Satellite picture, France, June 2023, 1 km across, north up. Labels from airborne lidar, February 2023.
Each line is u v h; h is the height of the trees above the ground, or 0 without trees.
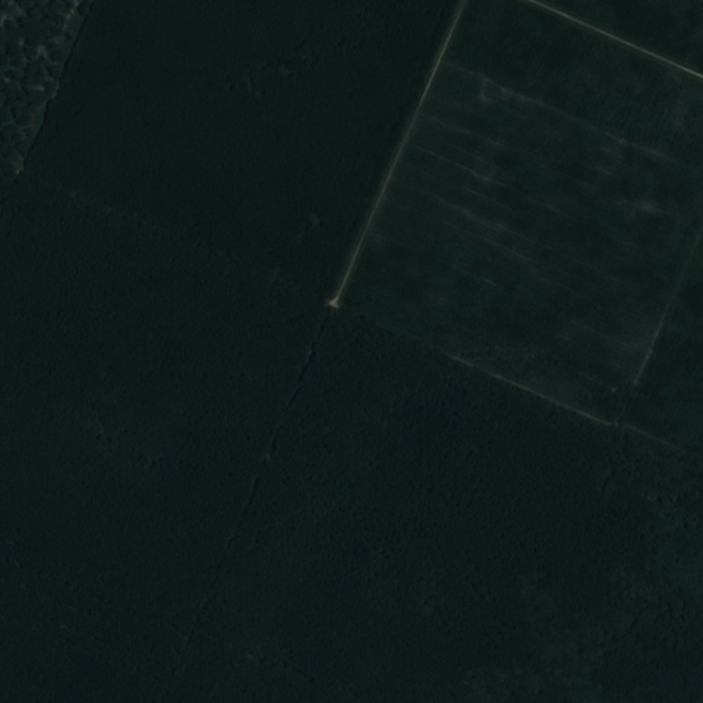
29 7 27
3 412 25
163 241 20
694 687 20
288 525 25
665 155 0
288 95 15
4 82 35
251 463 26
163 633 21
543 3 0
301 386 21
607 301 6
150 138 14
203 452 27
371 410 23
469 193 0
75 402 23
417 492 26
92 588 23
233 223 16
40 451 25
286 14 11
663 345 6
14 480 24
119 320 28
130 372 26
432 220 0
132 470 22
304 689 23
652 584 24
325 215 14
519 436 27
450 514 26
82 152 12
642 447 7
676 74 0
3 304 26
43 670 18
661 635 21
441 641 25
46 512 26
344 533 26
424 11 13
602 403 6
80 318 26
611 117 0
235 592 23
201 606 17
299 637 18
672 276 6
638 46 0
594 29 0
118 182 13
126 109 10
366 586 28
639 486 24
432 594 29
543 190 0
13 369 25
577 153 0
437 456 23
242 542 24
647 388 7
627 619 16
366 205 14
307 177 16
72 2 28
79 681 21
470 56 0
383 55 15
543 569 27
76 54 12
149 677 22
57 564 23
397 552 28
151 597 23
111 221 23
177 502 26
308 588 22
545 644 17
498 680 23
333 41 12
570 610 15
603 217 0
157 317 27
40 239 28
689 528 18
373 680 26
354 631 21
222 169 13
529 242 0
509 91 0
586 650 19
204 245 14
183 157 13
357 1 12
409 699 24
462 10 0
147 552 27
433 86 0
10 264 26
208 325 25
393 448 25
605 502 33
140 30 9
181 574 25
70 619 20
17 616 22
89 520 26
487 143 0
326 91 15
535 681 20
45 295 27
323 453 25
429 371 25
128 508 28
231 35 10
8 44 30
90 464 23
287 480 24
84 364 27
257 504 25
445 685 23
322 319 21
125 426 19
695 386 6
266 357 23
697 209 0
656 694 22
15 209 26
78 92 13
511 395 20
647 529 25
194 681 22
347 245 15
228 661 22
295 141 15
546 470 27
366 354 23
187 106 16
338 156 15
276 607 21
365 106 14
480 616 25
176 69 11
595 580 26
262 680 20
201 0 12
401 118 14
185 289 24
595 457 26
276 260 17
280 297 26
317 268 18
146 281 26
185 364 24
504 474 28
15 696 22
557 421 24
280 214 16
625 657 24
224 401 23
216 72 14
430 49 9
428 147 0
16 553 22
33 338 27
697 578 6
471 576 25
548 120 0
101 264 26
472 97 0
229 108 16
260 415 21
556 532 29
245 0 11
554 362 8
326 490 25
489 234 0
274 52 12
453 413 24
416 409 20
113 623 23
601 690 19
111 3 12
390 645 25
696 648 24
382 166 14
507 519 30
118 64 14
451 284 0
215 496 26
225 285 27
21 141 26
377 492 24
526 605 22
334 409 24
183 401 21
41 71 30
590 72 0
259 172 15
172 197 13
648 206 0
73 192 13
